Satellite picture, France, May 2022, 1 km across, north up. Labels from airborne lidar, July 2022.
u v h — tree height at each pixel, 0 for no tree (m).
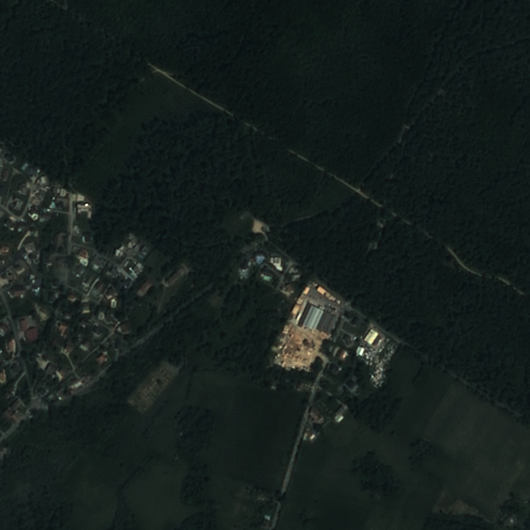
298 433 6
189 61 19
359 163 13
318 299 0
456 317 21
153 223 19
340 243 16
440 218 19
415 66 17
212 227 15
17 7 14
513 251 12
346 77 14
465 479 0
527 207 20
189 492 11
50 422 5
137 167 23
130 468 0
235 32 10
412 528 0
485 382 17
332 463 0
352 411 13
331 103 14
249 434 0
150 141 17
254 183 21
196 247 8
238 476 0
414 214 18
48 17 20
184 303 13
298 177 16
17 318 8
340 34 11
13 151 13
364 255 11
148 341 6
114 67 17
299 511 0
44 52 20
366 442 0
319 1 21
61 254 10
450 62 18
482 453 0
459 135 11
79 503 0
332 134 14
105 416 19
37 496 6
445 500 0
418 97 14
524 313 21
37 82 18
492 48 12
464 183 19
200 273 13
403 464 0
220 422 0
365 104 16
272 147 12
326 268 13
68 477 0
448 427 0
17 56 20
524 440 0
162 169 16
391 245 18
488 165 6
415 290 16
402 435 0
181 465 0
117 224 22
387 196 17
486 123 11
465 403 0
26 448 11
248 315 0
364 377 12
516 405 17
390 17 12
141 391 0
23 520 19
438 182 19
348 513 0
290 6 13
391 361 7
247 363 13
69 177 19
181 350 6
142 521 0
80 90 21
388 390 11
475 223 21
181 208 20
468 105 17
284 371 12
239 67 24
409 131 10
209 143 23
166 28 11
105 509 0
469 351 21
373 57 17
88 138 23
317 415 0
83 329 8
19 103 25
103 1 11
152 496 0
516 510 12
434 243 18
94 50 21
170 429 0
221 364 9
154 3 13
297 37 11
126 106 21
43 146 18
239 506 0
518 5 19
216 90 20
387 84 13
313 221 19
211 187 23
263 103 13
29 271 0
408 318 20
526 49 19
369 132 14
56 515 17
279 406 0
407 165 18
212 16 12
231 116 9
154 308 13
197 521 9
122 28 11
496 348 20
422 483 0
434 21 15
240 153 17
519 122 15
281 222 14
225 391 0
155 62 13
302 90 16
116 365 17
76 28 20
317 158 12
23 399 11
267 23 19
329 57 14
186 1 10
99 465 0
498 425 0
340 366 11
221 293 8
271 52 11
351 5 12
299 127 14
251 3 21
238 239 18
